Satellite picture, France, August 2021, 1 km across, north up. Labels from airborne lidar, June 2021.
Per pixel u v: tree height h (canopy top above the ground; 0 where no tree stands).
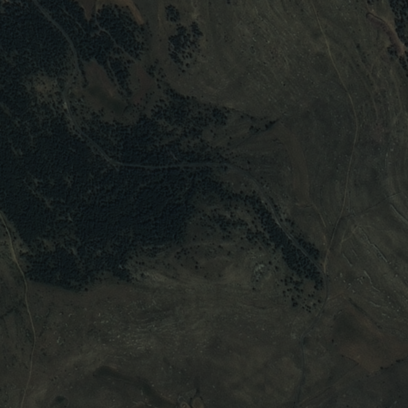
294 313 0
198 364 0
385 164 0
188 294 0
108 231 9
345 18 0
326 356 0
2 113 10
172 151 10
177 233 8
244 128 0
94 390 0
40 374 0
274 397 0
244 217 0
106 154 9
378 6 0
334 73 0
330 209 0
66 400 0
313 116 0
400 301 0
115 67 11
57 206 5
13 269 0
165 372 0
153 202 11
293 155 0
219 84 0
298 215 0
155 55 0
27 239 9
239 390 0
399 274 0
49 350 0
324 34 0
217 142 0
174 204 8
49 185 7
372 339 0
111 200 7
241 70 0
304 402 0
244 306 0
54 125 8
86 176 7
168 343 0
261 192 0
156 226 11
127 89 6
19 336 0
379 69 0
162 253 0
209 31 0
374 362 0
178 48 8
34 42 7
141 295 0
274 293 0
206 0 0
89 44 10
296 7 0
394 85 0
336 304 0
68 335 0
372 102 0
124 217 12
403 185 0
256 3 0
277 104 0
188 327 0
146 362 0
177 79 0
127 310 0
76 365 0
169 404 0
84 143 9
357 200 0
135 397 0
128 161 8
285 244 10
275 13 0
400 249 0
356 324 0
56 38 8
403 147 0
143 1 0
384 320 0
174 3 0
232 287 0
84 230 9
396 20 9
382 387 0
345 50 0
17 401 0
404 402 0
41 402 0
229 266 0
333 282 0
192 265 0
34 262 8
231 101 0
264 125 0
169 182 10
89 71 0
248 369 0
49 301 0
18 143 7
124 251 7
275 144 0
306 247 7
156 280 0
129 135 10
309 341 0
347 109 0
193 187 8
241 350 0
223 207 0
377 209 0
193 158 8
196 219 0
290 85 0
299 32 0
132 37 8
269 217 9
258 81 0
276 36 0
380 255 0
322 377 0
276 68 0
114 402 0
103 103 0
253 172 0
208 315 0
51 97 6
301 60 0
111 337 0
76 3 12
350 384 0
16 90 8
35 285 0
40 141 9
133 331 0
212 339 0
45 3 9
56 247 7
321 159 0
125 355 0
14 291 0
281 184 0
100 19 11
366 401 0
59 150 11
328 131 0
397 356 0
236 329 0
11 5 9
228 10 0
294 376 0
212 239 0
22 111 8
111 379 0
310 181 0
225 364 0
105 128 9
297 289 8
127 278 6
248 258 0
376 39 0
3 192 8
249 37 0
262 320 0
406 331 0
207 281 0
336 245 0
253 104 0
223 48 0
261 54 0
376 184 0
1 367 0
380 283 0
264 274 0
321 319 0
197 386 0
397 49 6
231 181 0
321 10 0
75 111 7
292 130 0
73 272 9
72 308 0
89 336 0
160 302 0
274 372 0
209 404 0
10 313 0
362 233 0
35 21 9
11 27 6
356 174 0
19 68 6
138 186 11
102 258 7
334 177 0
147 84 0
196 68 0
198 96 0
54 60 8
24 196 9
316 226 0
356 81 0
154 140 9
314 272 7
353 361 0
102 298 0
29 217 8
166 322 0
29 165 11
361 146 0
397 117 0
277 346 0
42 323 0
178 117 6
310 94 0
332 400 0
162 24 0
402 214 0
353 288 0
